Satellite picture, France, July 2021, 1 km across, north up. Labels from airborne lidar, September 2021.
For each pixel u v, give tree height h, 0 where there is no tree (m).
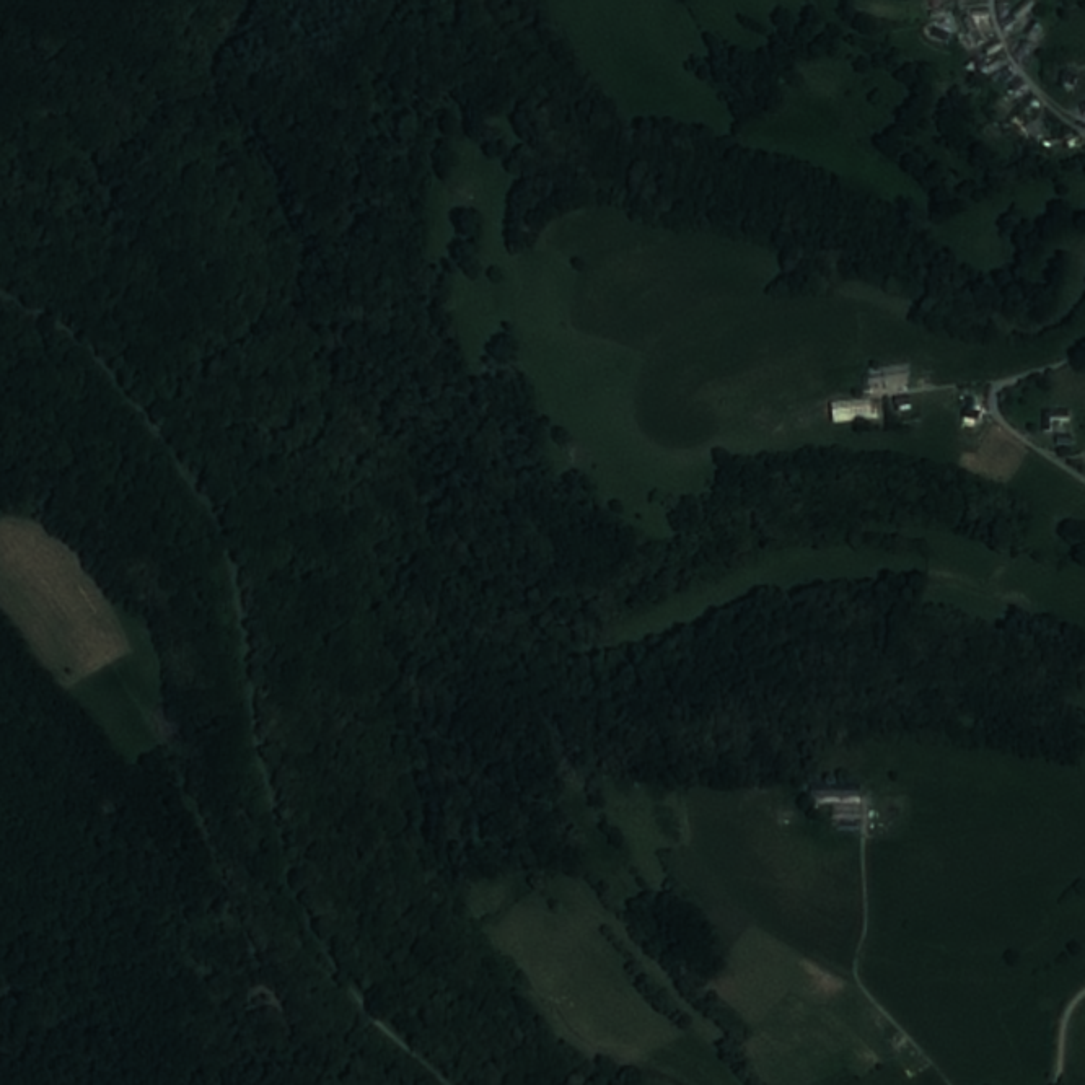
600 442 0
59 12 28
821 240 13
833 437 0
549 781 26
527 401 21
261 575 25
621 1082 20
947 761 0
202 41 26
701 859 0
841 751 13
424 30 21
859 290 0
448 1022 21
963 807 0
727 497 17
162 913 17
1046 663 23
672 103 0
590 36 0
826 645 21
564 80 16
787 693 24
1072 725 24
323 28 28
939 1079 0
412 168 23
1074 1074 0
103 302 27
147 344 30
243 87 22
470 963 20
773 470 23
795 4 0
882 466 18
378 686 23
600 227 0
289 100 27
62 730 15
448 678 19
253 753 16
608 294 0
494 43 17
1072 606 0
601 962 0
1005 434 0
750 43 0
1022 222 7
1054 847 0
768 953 0
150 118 25
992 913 0
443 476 11
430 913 23
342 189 26
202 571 25
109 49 26
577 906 0
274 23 28
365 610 21
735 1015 15
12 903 24
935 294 24
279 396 27
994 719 16
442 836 23
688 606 0
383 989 28
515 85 17
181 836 21
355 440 20
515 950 0
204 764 17
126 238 32
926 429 0
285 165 29
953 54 0
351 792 22
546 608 24
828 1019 0
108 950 23
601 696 24
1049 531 0
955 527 7
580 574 23
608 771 13
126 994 25
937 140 8
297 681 24
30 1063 30
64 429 19
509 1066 21
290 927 19
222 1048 19
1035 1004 0
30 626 0
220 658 21
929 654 18
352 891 23
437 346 21
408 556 30
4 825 23
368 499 23
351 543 25
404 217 23
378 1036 23
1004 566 0
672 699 19
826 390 0
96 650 0
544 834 25
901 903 0
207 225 24
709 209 11
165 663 12
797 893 0
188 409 19
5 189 28
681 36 0
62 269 26
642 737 19
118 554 19
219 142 27
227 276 25
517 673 25
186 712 20
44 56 28
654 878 0
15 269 23
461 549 18
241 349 24
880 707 20
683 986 20
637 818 0
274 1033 19
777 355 0
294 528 19
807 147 0
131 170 30
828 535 18
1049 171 18
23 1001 28
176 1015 25
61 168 28
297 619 20
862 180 0
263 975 20
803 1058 0
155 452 21
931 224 21
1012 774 0
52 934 20
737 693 25
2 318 21
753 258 0
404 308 23
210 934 19
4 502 18
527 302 0
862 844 0
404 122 22
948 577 0
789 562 0
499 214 0
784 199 11
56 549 0
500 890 0
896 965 0
